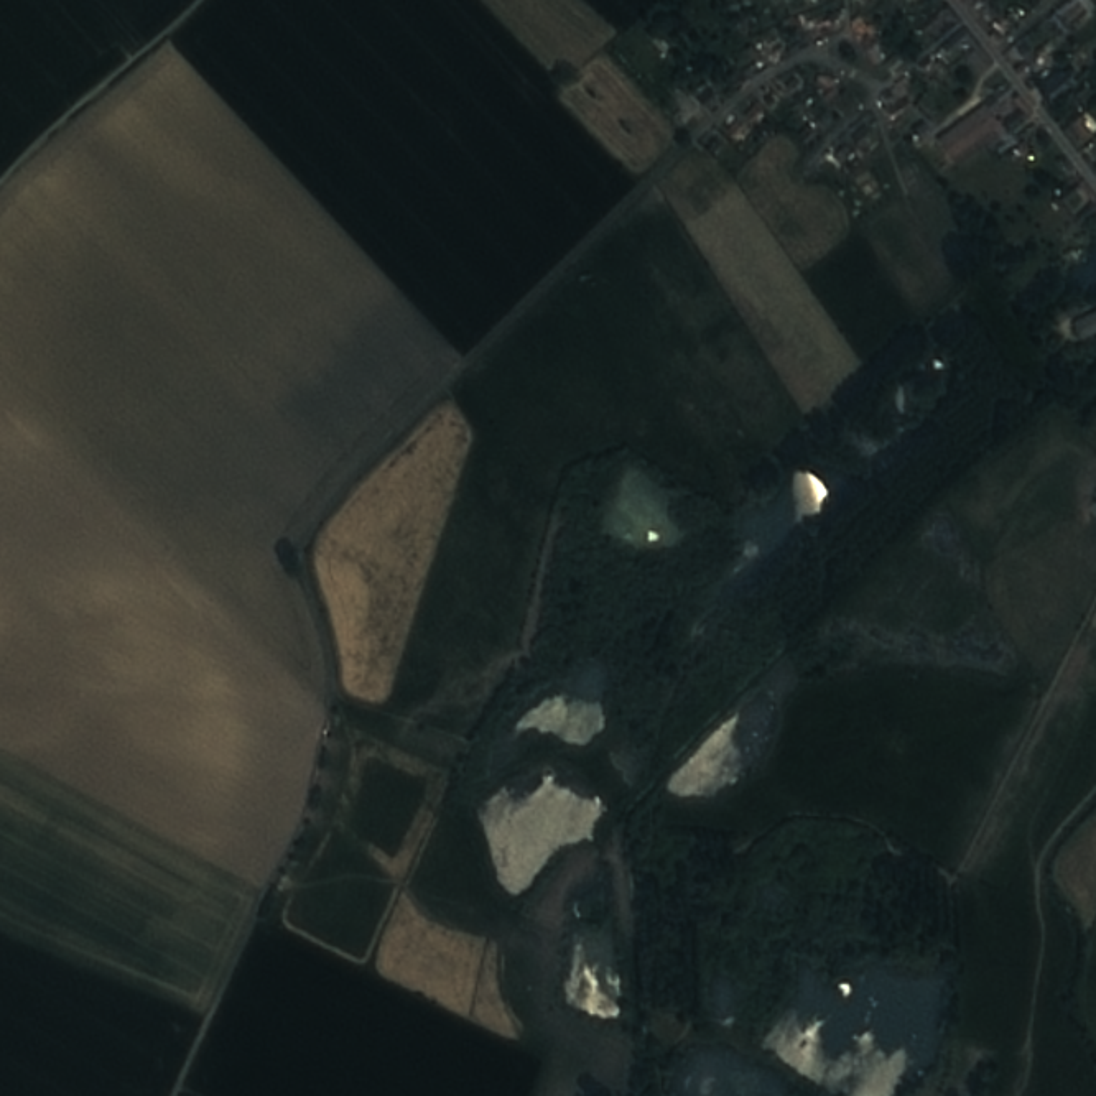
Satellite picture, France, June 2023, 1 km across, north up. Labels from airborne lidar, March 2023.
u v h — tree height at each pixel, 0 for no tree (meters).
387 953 0
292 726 0
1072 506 0
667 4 7
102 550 0
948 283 0
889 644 0
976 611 0
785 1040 0
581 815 0
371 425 0
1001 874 0
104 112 0
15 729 0
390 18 0
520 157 0
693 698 6
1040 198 9
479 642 0
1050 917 0
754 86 0
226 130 0
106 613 0
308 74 0
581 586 15
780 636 6
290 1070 0
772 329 0
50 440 0
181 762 0
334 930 0
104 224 0
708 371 0
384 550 0
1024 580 0
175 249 0
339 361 0
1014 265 17
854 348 0
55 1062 0
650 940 16
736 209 0
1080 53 0
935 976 0
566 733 0
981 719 0
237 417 0
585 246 0
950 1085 29
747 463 0
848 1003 0
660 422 0
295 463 0
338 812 0
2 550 0
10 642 0
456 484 0
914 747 0
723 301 0
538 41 0
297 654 0
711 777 0
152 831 0
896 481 26
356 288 0
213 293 0
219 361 0
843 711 0
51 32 0
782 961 16
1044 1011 0
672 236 0
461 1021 0
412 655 0
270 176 0
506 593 0
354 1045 0
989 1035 0
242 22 0
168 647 0
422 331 0
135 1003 0
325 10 0
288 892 0
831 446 23
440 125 0
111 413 0
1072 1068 0
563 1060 20
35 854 0
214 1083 0
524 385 0
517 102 0
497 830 0
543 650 6
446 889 0
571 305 0
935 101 0
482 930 0
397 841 0
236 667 0
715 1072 0
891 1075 0
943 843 0
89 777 0
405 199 0
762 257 0
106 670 0
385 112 0
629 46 0
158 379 0
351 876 0
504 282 0
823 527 22
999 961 0
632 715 8
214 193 0
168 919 0
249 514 0
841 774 0
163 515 0
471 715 0
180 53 0
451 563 0
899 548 0
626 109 0
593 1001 0
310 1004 0
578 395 0
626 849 19
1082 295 7
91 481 0
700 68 14
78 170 0
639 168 0
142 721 0
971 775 0
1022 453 0
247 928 0
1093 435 0
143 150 0
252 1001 0
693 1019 7
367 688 0
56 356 0
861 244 0
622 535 0
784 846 5
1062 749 0
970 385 26
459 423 0
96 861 0
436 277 0
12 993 0
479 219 0
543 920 25
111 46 0
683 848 5
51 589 0
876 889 6
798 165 0
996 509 0
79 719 0
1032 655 0
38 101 0
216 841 0
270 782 0
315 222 0
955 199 13
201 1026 0
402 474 0
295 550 22
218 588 0
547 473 0
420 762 0
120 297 0
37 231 0
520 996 0
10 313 0
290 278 0
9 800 0
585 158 0
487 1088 0
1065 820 0
